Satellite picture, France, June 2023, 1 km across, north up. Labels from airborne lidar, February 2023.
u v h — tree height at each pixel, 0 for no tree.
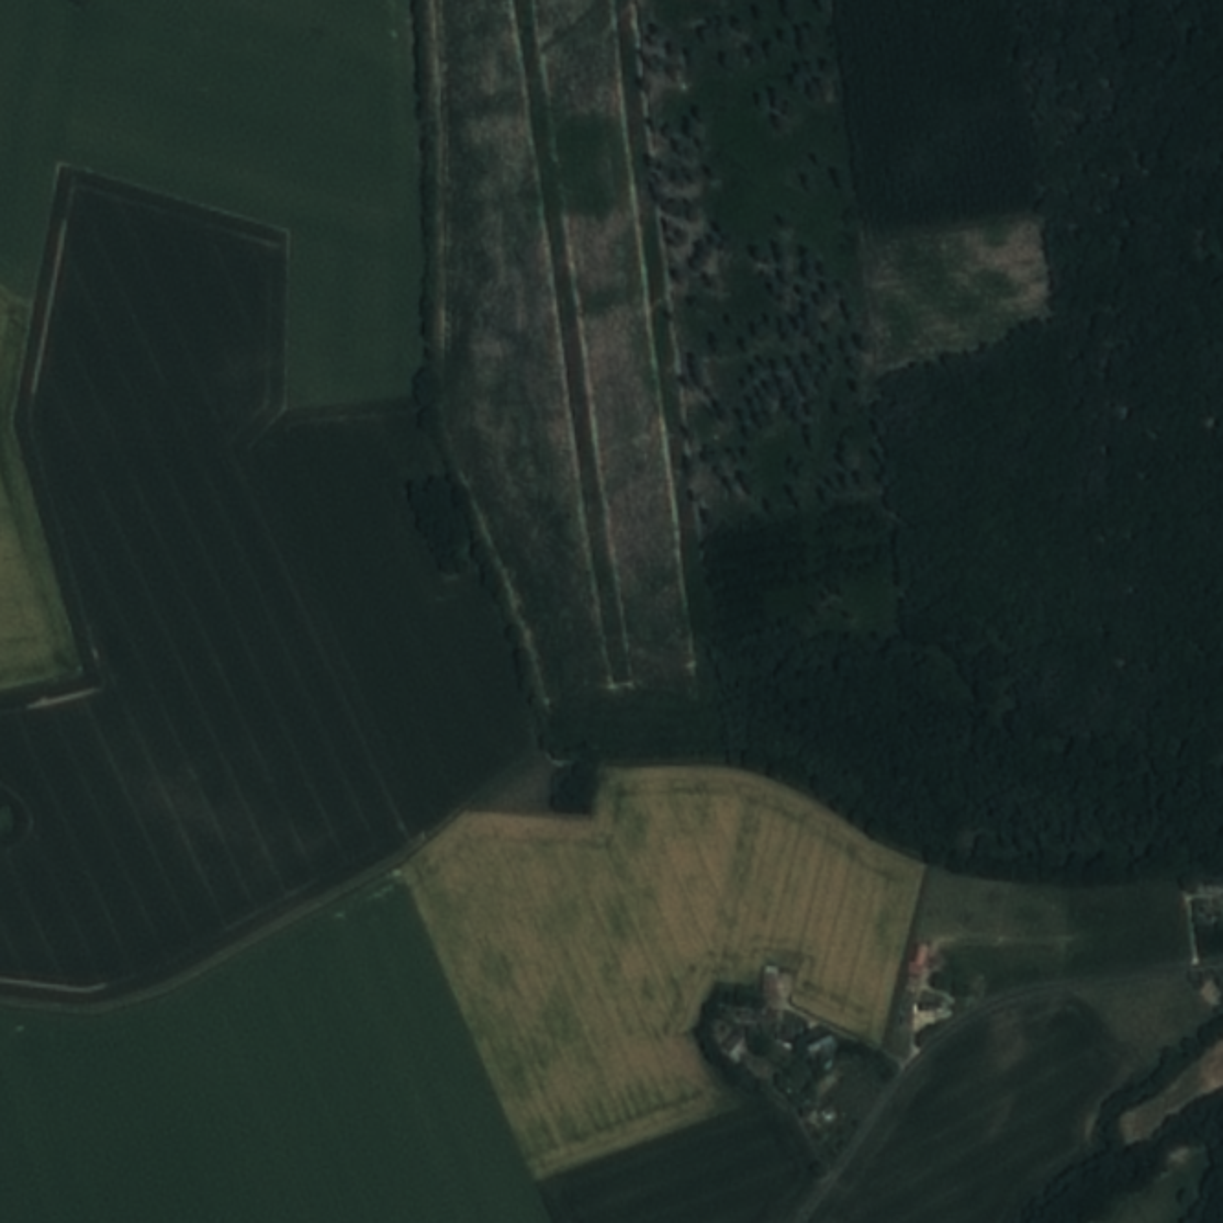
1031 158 9
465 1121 0
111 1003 0
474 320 0
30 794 0
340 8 0
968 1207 0
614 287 0
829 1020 0
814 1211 0
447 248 0
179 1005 0
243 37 0
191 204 0
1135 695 21
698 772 0
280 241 0
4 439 0
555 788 6
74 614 0
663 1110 0
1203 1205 11
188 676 0
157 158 0
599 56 0
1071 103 20
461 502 17
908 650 23
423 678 0
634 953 0
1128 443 18
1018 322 0
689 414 0
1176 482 18
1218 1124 19
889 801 18
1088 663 20
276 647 0
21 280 0
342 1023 0
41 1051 0
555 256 0
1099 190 16
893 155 9
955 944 0
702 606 0
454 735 0
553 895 0
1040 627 17
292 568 0
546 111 0
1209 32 22
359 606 0
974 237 0
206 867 0
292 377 0
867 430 0
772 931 0
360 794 0
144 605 0
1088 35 17
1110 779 22
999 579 20
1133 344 12
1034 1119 0
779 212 0
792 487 0
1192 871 13
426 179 8
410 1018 0
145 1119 0
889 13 10
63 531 0
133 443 0
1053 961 0
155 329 0
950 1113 0
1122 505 20
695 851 0
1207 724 20
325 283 0
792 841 0
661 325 0
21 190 0
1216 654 19
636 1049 0
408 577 0
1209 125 20
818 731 15
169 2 0
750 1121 0
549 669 0
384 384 0
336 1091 0
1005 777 19
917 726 19
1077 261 19
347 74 0
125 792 0
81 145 0
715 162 0
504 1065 0
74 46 0
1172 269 19
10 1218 0
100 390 0
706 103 0
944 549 22
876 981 0
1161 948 0
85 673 0
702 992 0
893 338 0
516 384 0
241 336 0
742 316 0
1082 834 17
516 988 0
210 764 0
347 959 0
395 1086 0
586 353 0
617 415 0
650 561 0
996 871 17
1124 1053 0
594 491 0
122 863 0
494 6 0
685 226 26
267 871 0
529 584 0
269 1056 0
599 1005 0
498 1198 0
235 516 0
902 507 20
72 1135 0
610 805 0
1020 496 20
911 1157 0
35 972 0
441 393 18
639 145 0
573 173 0
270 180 0
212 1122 0
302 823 0
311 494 0
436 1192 0
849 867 0
